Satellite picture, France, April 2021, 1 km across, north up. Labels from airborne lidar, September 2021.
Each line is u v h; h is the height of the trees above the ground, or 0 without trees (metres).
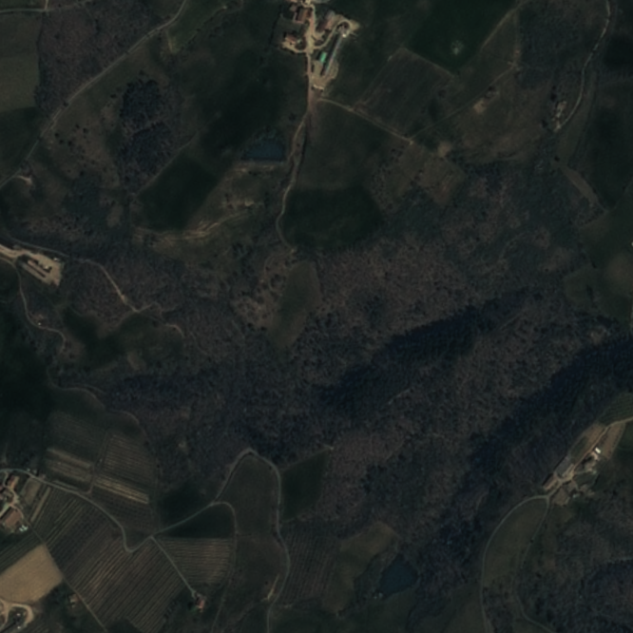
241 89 0
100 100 0
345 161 0
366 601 12
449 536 21
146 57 0
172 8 0
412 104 0
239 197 0
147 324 0
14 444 0
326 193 0
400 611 0
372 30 0
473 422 13
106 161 0
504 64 0
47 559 0
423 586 10
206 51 0
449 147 0
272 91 0
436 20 0
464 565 15
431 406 12
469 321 26
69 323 0
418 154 0
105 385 9
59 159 0
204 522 0
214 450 14
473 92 0
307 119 0
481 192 8
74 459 0
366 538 0
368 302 11
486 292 14
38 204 0
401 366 13
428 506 16
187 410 8
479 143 0
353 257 7
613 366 29
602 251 0
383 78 0
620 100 0
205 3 0
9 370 0
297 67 0
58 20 8
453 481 10
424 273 6
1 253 0
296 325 0
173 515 0
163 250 0
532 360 12
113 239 7
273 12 0
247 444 10
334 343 12
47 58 8
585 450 0
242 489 0
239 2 8
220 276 0
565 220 9
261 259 0
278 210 0
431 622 0
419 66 0
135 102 9
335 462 7
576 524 8
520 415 20
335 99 0
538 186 8
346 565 0
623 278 0
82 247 11
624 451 0
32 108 0
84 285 12
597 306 15
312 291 0
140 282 8
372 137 0
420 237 7
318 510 6
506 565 0
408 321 10
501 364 10
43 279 0
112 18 7
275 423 20
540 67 14
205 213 0
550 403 30
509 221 8
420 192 6
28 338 15
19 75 0
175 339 0
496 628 11
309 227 0
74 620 12
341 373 13
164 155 8
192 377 15
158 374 17
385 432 6
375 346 7
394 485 13
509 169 6
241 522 0
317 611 0
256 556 0
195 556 0
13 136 0
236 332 9
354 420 13
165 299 7
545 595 13
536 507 0
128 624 0
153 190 0
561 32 18
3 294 0
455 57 0
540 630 0
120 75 0
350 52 0
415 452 6
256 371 18
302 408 15
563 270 9
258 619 0
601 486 0
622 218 0
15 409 0
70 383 12
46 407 0
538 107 0
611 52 0
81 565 0
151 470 0
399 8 0
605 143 0
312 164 0
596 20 0
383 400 9
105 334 0
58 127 0
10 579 0
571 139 0
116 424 0
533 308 16
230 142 0
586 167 0
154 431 11
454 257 8
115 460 0
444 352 25
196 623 11
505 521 0
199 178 0
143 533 0
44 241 8
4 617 0
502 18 0
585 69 12
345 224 0
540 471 19
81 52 12
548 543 0
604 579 12
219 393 14
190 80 0
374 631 0
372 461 8
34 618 0
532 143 0
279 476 0
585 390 23
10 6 0
